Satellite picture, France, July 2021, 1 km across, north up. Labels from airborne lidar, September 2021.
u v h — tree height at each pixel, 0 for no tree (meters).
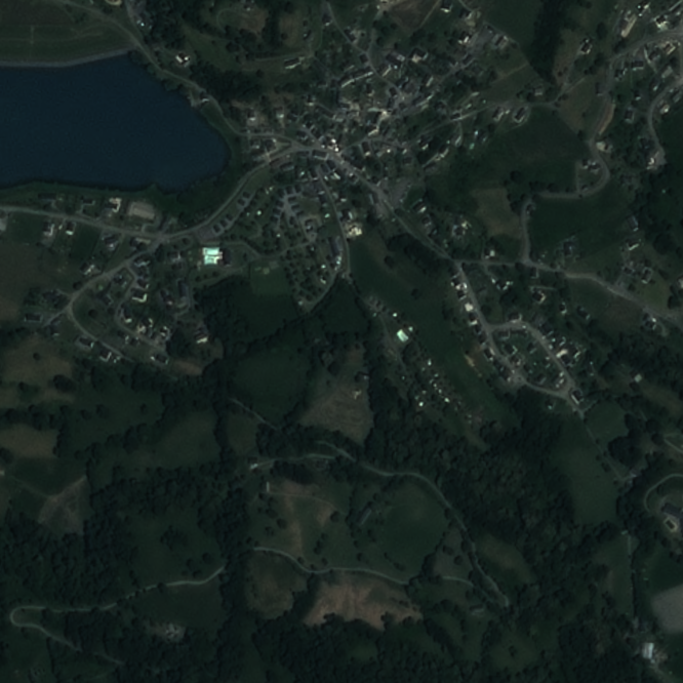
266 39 7
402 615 0
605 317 0
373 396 20
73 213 7
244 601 19
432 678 23
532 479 8
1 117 0
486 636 12
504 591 13
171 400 23
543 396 8
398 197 0
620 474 0
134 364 10
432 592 0
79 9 0
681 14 0
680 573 0
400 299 0
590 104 0
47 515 0
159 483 7
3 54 0
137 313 7
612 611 16
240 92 14
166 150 0
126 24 0
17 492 0
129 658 13
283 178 8
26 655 0
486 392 0
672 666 0
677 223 0
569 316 6
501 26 0
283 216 8
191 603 0
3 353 0
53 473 0
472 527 14
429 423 12
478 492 22
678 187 0
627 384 0
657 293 0
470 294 0
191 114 0
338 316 0
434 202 20
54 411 0
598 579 10
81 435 0
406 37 0
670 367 17
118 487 15
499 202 0
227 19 0
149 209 0
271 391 0
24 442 0
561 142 0
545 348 0
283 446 11
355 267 0
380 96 0
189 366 0
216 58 0
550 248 0
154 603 0
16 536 25
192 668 16
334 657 23
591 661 16
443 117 5
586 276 0
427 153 7
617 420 0
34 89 0
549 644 0
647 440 0
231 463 25
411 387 7
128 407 0
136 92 0
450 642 24
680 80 0
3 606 16
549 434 8
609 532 21
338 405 0
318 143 0
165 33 20
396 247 19
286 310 0
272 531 15
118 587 18
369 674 24
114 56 0
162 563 0
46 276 0
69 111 0
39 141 0
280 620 14
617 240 0
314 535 0
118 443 14
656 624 7
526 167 0
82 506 0
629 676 8
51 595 13
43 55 0
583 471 0
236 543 22
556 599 15
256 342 14
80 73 0
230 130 0
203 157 0
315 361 13
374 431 14
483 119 8
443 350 0
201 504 14
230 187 0
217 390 12
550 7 12
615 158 9
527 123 0
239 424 0
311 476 16
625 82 0
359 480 8
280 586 0
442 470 20
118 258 0
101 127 0
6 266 0
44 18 0
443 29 0
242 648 20
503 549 0
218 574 0
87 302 0
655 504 0
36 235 0
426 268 10
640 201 12
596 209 0
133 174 0
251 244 8
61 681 14
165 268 0
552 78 13
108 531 16
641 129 13
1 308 0
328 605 0
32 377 0
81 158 0
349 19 0
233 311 23
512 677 19
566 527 30
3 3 0
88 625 18
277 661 18
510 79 0
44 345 0
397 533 0
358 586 0
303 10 0
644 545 10
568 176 0
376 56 0
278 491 0
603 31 17
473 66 6
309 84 7
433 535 0
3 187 0
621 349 7
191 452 0
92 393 0
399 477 12
